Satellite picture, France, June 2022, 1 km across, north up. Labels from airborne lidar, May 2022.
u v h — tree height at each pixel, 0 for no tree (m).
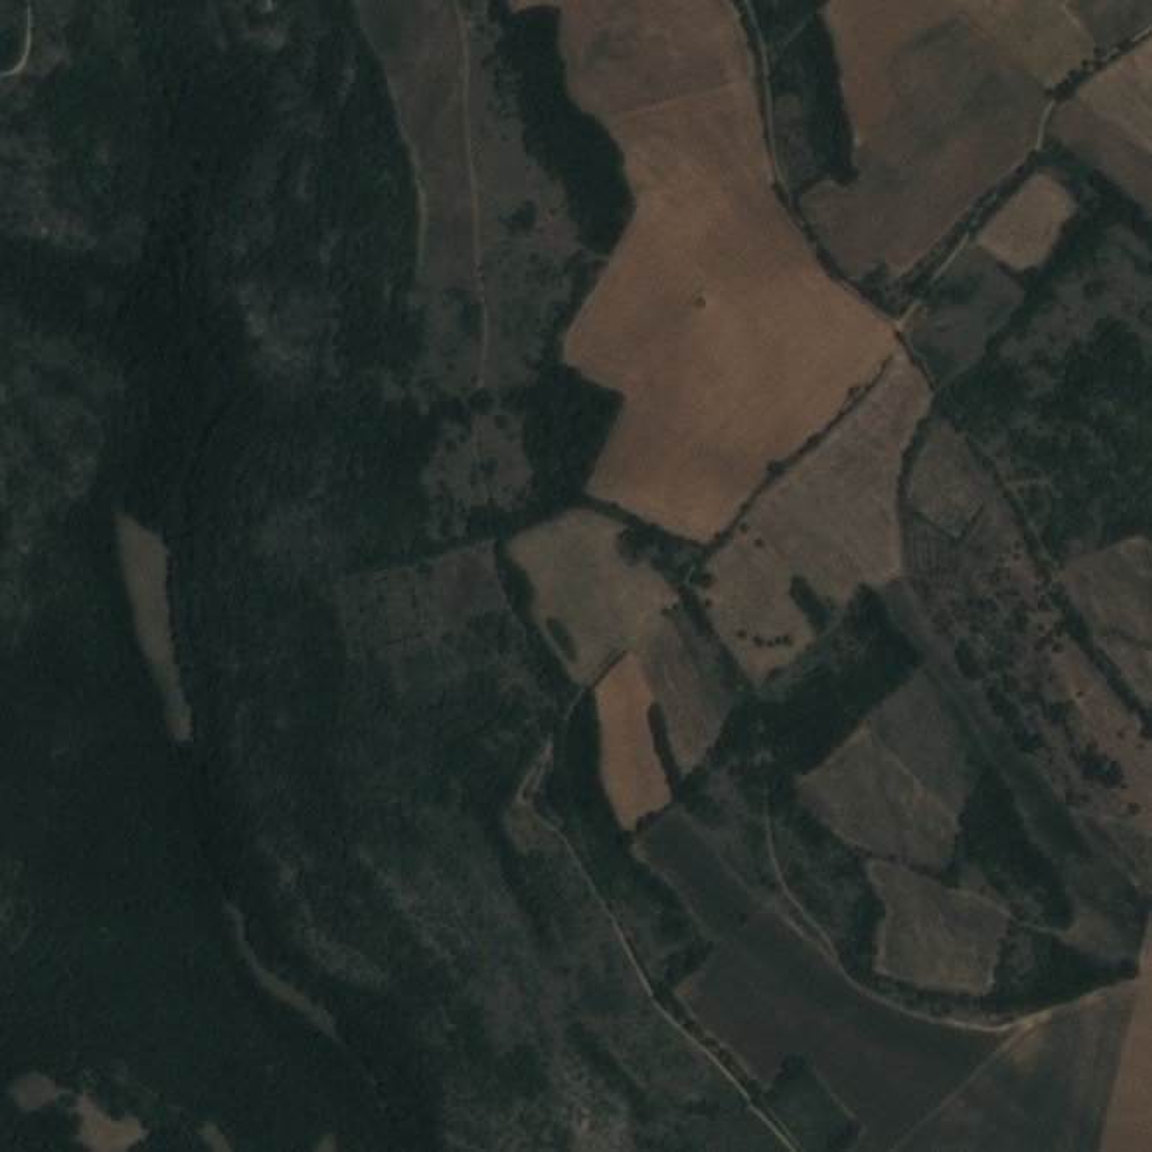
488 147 0
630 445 0
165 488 19
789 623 0
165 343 21
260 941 19
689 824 0
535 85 11
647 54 0
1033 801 0
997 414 6
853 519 0
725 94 0
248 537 8
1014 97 0
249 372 13
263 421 9
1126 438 8
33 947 8
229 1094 12
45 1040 15
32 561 7
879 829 0
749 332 0
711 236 0
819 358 0
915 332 0
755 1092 8
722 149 0
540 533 0
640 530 8
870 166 0
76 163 9
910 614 0
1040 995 9
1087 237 10
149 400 12
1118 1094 0
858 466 0
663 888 14
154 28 13
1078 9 0
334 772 7
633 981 0
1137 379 11
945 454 0
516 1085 6
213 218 7
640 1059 7
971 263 0
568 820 9
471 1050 7
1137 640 0
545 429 9
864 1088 0
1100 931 0
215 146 16
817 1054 0
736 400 0
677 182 0
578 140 10
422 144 0
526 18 11
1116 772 7
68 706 6
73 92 8
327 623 7
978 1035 0
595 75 0
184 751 16
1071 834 0
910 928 0
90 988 11
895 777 0
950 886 7
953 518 0
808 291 0
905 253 0
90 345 14
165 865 13
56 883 10
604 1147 0
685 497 0
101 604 6
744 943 0
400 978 8
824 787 0
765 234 0
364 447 7
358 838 8
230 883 11
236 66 13
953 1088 0
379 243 7
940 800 0
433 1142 11
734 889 0
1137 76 0
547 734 6
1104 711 0
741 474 0
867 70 0
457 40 0
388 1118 15
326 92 12
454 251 0
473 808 10
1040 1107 0
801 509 0
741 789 6
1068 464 8
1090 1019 0
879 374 0
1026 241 0
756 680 0
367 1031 19
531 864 7
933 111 0
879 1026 0
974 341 0
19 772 9
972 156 0
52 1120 9
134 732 16
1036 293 9
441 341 0
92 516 17
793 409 0
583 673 0
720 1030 0
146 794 14
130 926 8
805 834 8
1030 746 12
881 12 0
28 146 6
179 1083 9
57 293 19
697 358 0
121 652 10
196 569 10
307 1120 12
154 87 10
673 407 0
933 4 0
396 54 0
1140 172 0
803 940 0
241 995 9
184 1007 9
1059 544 6
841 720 7
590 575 0
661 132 0
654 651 0
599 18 0
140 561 0
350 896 9
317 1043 15
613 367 0
